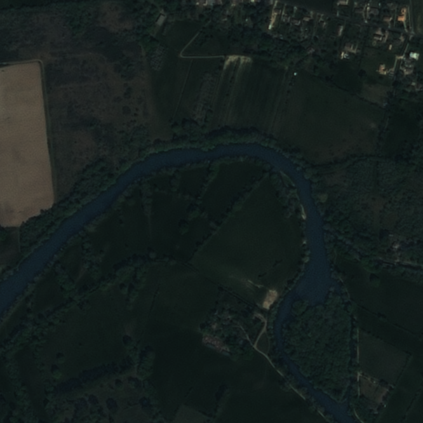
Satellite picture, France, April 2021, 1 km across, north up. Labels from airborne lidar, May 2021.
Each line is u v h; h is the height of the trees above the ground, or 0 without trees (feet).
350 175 23
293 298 0
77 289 46
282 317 0
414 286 0
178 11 66
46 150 0
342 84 0
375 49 0
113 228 0
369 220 21
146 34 47
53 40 0
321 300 0
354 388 34
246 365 0
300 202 20
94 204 0
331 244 52
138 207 0
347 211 40
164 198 0
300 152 66
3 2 0
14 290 0
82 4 52
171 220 0
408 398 0
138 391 89
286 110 0
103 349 0
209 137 49
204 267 0
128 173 0
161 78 0
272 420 0
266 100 0
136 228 0
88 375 0
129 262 46
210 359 0
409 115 0
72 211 62
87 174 34
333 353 67
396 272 45
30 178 0
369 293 0
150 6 57
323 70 0
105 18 0
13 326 0
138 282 77
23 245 40
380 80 25
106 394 0
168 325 0
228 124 0
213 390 0
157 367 0
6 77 0
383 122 25
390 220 0
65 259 0
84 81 0
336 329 63
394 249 29
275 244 0
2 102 0
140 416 0
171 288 0
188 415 0
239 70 0
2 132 0
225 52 0
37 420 50
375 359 0
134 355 66
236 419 0
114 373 98
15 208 0
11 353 51
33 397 0
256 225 0
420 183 23
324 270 0
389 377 0
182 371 0
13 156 0
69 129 0
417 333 0
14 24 30
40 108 0
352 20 0
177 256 0
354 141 0
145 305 0
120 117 0
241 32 25
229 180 0
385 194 27
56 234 0
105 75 0
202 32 19
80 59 0
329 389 53
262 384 0
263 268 0
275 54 33
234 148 0
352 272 0
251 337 30
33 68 0
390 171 32
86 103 0
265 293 0
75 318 0
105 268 0
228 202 0
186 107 0
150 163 0
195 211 78
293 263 0
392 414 0
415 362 0
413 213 54
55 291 0
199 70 0
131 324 0
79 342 0
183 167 42
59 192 0
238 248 0
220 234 0
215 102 0
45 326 72
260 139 83
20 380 60
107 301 0
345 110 0
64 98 0
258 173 0
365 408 36
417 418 0
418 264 38
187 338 0
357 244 69
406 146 28
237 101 0
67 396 106
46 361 0
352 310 56
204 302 0
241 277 0
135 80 0
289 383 67
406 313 0
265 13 37
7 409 97
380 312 0
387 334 0
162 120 0
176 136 34
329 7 0
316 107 0
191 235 0
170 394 0
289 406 0
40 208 0
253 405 0
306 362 68
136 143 36
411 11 0
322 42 22
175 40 0
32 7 25
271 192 0
